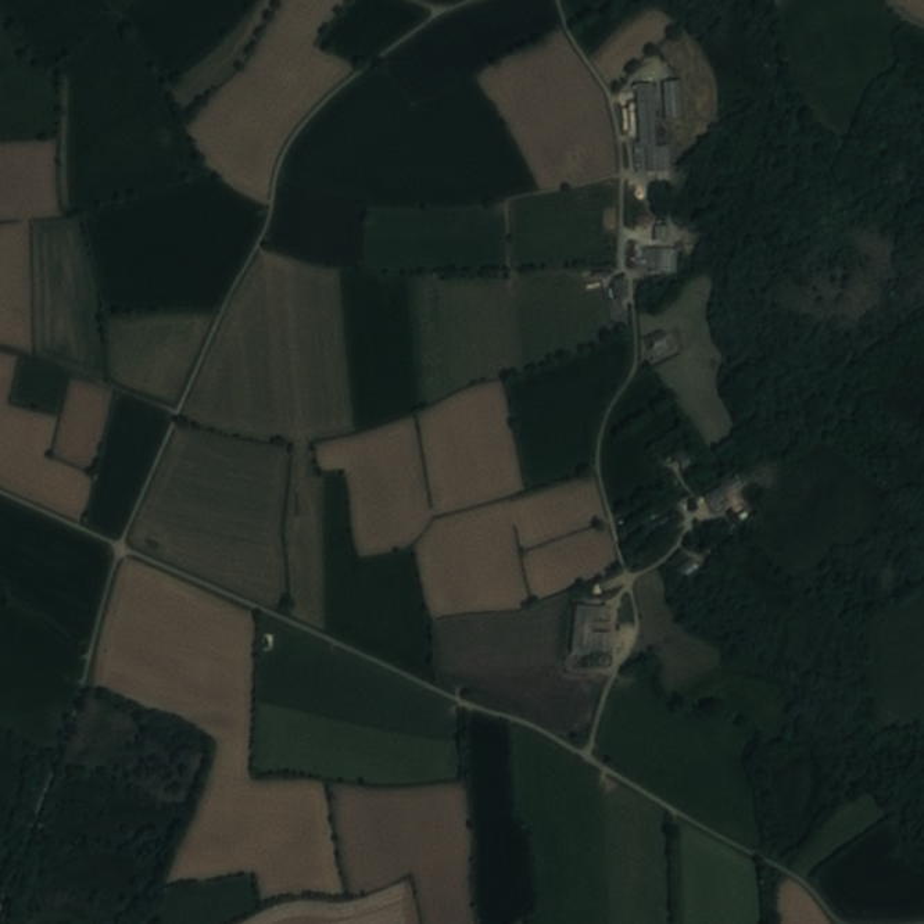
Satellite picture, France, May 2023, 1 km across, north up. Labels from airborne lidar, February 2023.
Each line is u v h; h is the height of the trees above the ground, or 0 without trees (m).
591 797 0
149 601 0
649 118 0
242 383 0
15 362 0
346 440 0
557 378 0
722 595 8
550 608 0
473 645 0
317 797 0
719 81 0
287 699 0
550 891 0
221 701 0
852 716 7
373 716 0
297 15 0
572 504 0
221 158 0
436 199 0
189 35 0
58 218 0
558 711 0
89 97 0
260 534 0
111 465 0
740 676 0
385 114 0
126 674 0
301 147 0
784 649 0
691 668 0
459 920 0
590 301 0
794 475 0
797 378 9
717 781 0
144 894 6
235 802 0
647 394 0
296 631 0
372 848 0
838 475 0
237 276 0
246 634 0
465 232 0
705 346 0
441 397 0
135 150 0
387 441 0
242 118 0
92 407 0
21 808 9
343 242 0
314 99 0
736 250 8
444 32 0
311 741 0
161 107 0
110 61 0
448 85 0
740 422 14
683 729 0
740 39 0
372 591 0
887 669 0
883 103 6
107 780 7
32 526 0
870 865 0
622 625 0
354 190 0
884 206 14
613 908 0
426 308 0
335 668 0
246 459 0
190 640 0
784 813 0
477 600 0
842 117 0
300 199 0
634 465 0
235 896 0
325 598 0
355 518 0
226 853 0
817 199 6
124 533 0
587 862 0
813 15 0
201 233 0
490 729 0
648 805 0
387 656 0
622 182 0
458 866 0
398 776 0
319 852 0
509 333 0
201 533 0
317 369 0
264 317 0
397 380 0
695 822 0
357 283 0
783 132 24
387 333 0
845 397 13
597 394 0
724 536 8
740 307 9
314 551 0
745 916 0
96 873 0
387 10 0
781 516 0
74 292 0
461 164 0
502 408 0
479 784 0
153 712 7
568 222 0
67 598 0
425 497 0
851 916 0
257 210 0
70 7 0
